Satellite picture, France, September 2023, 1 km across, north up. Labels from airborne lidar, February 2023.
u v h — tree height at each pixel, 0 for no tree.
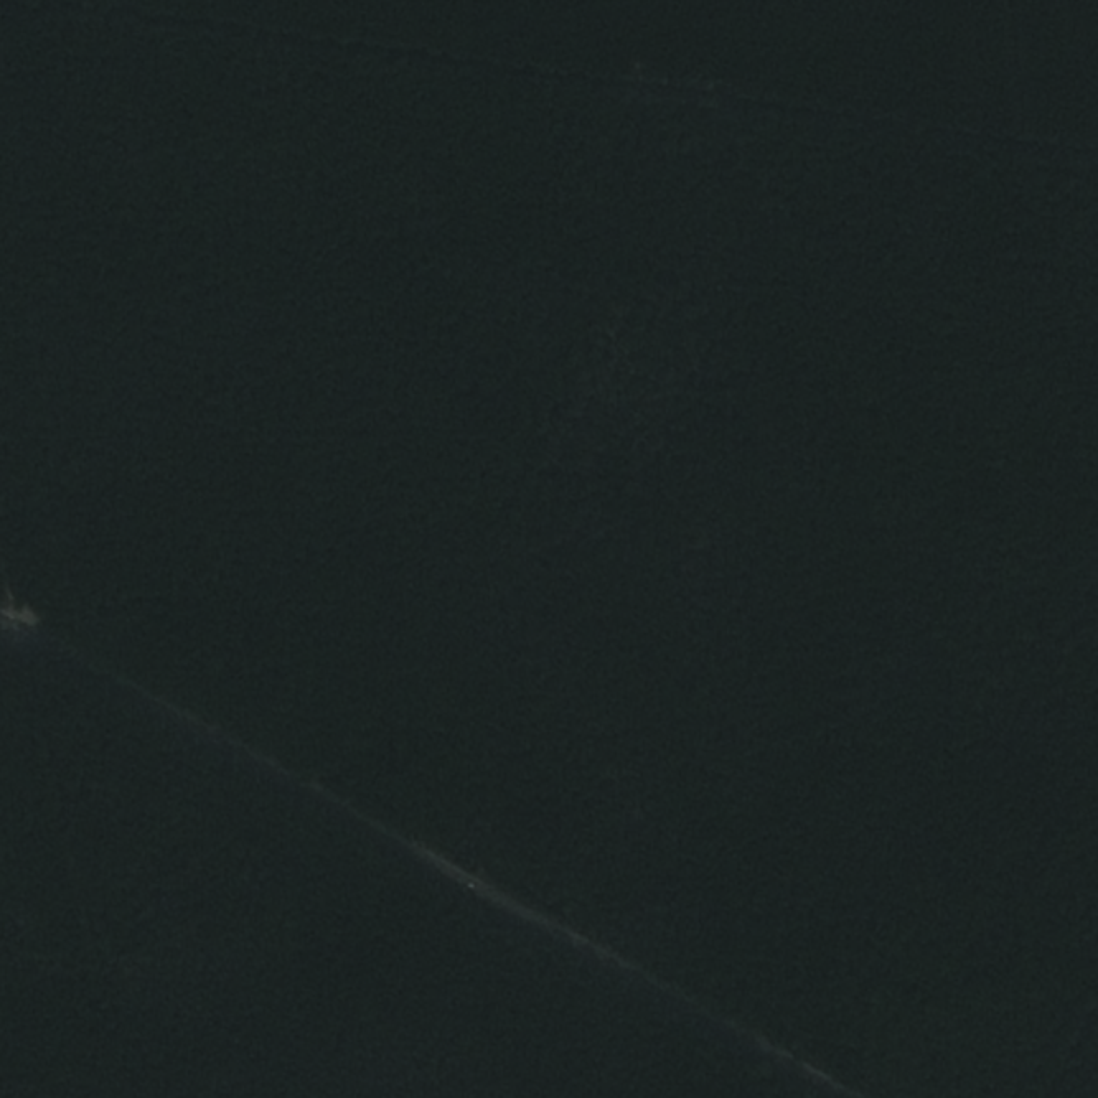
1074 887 31
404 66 19
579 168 32
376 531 28
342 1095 29
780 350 34
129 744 26
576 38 20
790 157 32
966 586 31
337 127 21
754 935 32
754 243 34
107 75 33
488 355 31
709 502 28
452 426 32
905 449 31
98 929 24
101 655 28
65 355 31
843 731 32
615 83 17
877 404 31
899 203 32
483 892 0
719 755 27
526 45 22
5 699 30
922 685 32
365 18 20
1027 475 28
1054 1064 24
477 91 24
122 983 24
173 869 23
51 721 32
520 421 34
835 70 17
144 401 27
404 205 25
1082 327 32
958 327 32
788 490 31
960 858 30
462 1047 25
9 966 25
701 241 31
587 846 24
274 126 23
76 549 31
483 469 32
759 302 31
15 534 29
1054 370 29
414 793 27
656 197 30
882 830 27
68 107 33
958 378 32
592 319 25
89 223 34
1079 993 25
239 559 29
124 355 29
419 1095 27
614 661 31
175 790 25
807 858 24
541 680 29
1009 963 28
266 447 30
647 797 25
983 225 31
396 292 28
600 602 32
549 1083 26
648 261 28
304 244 29
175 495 30
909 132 29
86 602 29
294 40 25
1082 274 33
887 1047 22
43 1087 25
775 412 29
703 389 29
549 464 12
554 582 30
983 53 19
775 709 28
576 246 26
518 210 24
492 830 27
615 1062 28
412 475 32
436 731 28
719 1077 29
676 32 17
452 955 28
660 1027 31
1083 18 18
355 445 31
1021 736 32
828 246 34
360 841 27
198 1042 28
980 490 29
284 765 20
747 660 29
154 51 30
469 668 30
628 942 22
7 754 32
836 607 28
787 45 20
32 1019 28
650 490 29
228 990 25
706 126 29
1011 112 21
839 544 30
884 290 33
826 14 22
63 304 30
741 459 31
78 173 32
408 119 26
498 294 27
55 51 30
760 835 26
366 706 26
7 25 33
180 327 32
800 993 30
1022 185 29
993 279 32
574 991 26
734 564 24
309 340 32
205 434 32
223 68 25
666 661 30
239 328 27
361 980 26
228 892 25
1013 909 28
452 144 24
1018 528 30
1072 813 30
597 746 24
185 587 26
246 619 27
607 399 28
